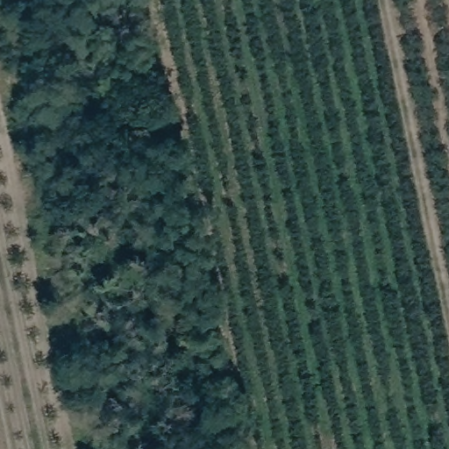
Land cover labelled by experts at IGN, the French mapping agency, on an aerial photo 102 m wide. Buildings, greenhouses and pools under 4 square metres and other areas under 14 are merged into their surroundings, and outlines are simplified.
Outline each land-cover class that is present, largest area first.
<instances>
[{"label":"deciduous trees","instance_id":"1","mask_svg":"<svg viewBox=\"0 0 449 449\"><path fill-rule=\"evenodd\" d=\"M149 0H0V16L7 14L11 21L21 19L18 23V40L7 46H0V63L2 70L18 77L19 74H26L32 70L39 72L44 70V65L54 63L49 49L58 44H67L77 54L75 63L61 65L56 70V75L63 77L60 84H47L44 79H37L33 84H26L28 95L23 96L14 109L4 107L9 135L18 130H28L32 126H47L53 130V139L49 142H37L33 149H26L25 146L14 147V154L19 158L21 170L32 177L33 193L39 195L40 200L44 202L26 214L28 226L35 230V235L30 239L35 251H44L49 256L60 258L61 254L68 256V260L74 261L72 270L77 274L75 279L82 281L91 275V267L96 263H103L107 254L112 253L116 247L128 244L142 251L146 246H156L168 251L174 247L175 240L188 233L189 224H195V237L186 242L189 249H196L195 254H186L182 251L175 253V260L182 261L188 270L186 282H181V268L174 265H168L154 277H146V268L142 267L139 261H130L119 265L114 275L103 282V286L82 291V302L86 305H98V302H103L102 312L107 316L110 310L121 309H130V312L151 309L156 314L154 319L158 326L154 330L139 328L140 335L144 337L140 340L144 349L137 351V358L133 363L125 365L126 354L119 351V340L114 339V347H109L107 344L95 346L91 340L81 339L72 346V354H63L47 367L51 372L54 391L60 396L63 409L75 414H93L100 417L105 396L112 386L121 381H133L132 389L140 391V400L130 398V409L116 407L112 410L114 419H110L116 442L125 449H128V440L139 437L140 431L153 433L156 440H160L163 445L161 449H449V342L438 300L437 282L431 270L430 251L424 239L416 186L410 174L409 151L403 137L402 118L396 100L393 74L389 67L388 49L384 44L377 0H161V18L167 28L170 53L177 65V82L181 86L188 116L189 137L184 139L186 149H182L175 146L174 140H167L158 147H149L144 142L126 144L118 135V128L121 125L144 126L142 130H135V135H151L165 126L181 123V112L175 105L172 91H161V86L168 82L167 74H158L153 68L154 60H158L161 54L158 32L151 25ZM121 5L130 9L132 18H137V28L140 30L139 39L128 40L123 53L116 51L114 32L105 26L95 25L98 16H107L112 21H119L121 18L118 11ZM181 33L188 35L191 58L196 67V81L202 91V107L209 119L212 149L216 154L219 172L228 170V158L223 151L221 130L217 125L216 112L212 105L207 70L216 68L221 100L228 116L235 154V170L239 174L240 200L246 205L249 242L253 247L256 263V272H249L240 226L237 223V207H226V214L232 226L235 267L239 274L237 286H230V274L224 260L219 228H214L212 235L200 233L205 210L212 207V202L207 198L205 202L196 200L195 193L189 191L186 175L181 174L191 161V165L198 170L200 179L196 186L202 188V191H214V179L210 175L209 158L205 151L200 121L191 107L193 86L184 60ZM91 98H100L103 110L98 118L88 121L82 116V110ZM58 149H65L68 153L74 154L79 160V165L75 168H65L63 177L56 182L53 174L58 163ZM89 174L95 175L98 179V193L88 191V186H74L77 177H88ZM93 216L96 217V221L105 217L107 221L114 223V230L109 232L107 228H102L98 235H91L88 228L91 226L89 219ZM223 307L228 310L230 330L237 349V361L233 365L244 379L246 393H240L232 379H224L214 384L209 382L203 384V388L196 391L193 389V379H196L198 372L209 375L216 368H224L228 361H232L230 354L224 351V337L219 330V317L224 314ZM168 331L175 333L177 340H189L191 346L186 347L182 353H175L172 356L167 351ZM193 403L202 410V421L196 426L195 431L186 435L182 442L167 437L165 431L170 430L167 424L170 417L165 414L167 409L182 407L191 410ZM414 4V0H393V5L398 11V23L402 26L403 32L400 35L403 68L409 82L410 98L414 102V114L419 130L417 135L423 147L426 177L430 181L433 193L445 268L449 275V170L445 160L444 144L438 137L437 110L433 107L437 91L431 88L428 79V68L423 58V37L417 30V21L410 5ZM426 19L431 32L435 33V61L438 81L444 88L447 107L445 130L449 135V0H426ZM14 289L35 288L33 279L16 272L12 279Z\"/></svg>","mask_w":449,"mask_h":449},{"label":"herbaceous vegetation","instance_id":"2","mask_svg":"<svg viewBox=\"0 0 449 449\"><path fill-rule=\"evenodd\" d=\"M151 25L158 32L161 54L158 60H154L153 68L158 74H167L168 82L161 86V91H172L175 105L181 112V123L165 126L151 135H135V130H142L144 126L121 125L118 128V135L126 144L144 142L149 147H158L167 140H174L175 146L182 149H186L184 139L189 137L188 116L181 86L177 82V65L170 53L167 28L161 18V0H149ZM410 5L417 21V30L423 37V58L428 68V79L431 88L437 91L433 107L437 110L438 137L444 144L445 160L449 170V135L445 130L447 107L444 88L438 81L435 61V33L431 32L426 19V0H414V4ZM121 18L119 21H112L107 16H98L95 25L105 26L114 32L116 51L123 53L128 40L139 39L140 30L137 28V18H132L130 9L121 5L118 11ZM21 19L11 21L7 14L0 16V46H7L18 40V23ZM184 60L193 86L191 107L200 121L205 151L209 158L210 175L214 179V191H202V188L196 186L200 179L198 170L191 165V161L181 174L186 175L189 191L195 193L196 200L205 202L207 198L212 202V207L205 210L200 233L212 235L214 228H219L224 260L230 274V286H237L239 274L235 267L232 226L226 214V207H237V223L240 226L249 272H256V263L253 247L249 242L246 205L240 200L239 174L235 170V154L228 116L221 100L216 68L207 70L212 105L216 112L217 125L221 130L223 151L228 158V170L219 172L216 154L212 149L209 119L202 107V91L196 81V67L191 58L188 35L181 33ZM54 63L44 65V70L39 72L32 70L26 74H19L18 77L2 70L0 63V449H125L116 442L110 419H114L112 410L116 407L130 409V398L140 400V391L132 389L133 381H121L112 386L105 396L100 417L93 414H75L63 409L60 396L54 391L51 372L47 367L63 354H72V346L81 339L91 340L95 346L107 344L109 347H114V339L119 340V351L126 354L125 365L133 363L137 358V351L144 349L140 340L144 337L140 335L139 328L154 330L158 326L154 319L156 314L151 309L130 312V309H121L110 310L107 316L102 312L103 302H98V305H86L82 302V291L103 286V282L114 275L119 265L130 261H139L142 267L146 268V277H154L168 265H174L181 268V282H186L188 270L182 261L175 260V253L182 251L186 254H195L196 249H189L186 242L195 237V224H189L188 233L175 240L174 247L168 251L156 246H146L142 251L128 244L116 247L112 253L107 254L103 263H96L91 267V275L82 281L75 279L77 274L72 270L74 261L68 260V256L61 254L60 258L49 256L44 251H35L30 239L35 235V230L28 226L26 214L44 202L40 200L39 195L33 193L32 177L21 170L19 158L14 154V147L25 146L26 149H33L37 142H49L53 139V130L47 126H32L28 130H18L9 135L4 107L14 109L23 96L28 95L26 84H33L37 79H44L47 84H60L63 77L56 75V70L61 65L75 63L77 54L67 44H58L49 49ZM16 272L33 279L35 288L14 289L12 279ZM103 110L100 98H91L82 110V116L88 121L98 118ZM58 163L53 174L56 182L63 177L65 168H75L79 165V160L74 154L68 153L65 149H58ZM74 186H88V191L98 193V179L95 175L89 174L88 177H77ZM91 226L88 228L91 235H98L102 228H107L109 232L114 230V223L107 221L105 217L96 221V217L93 216L89 219ZM224 314L219 317V330L224 337V351L230 354L232 361H228L224 368H216L209 375L198 372L196 379H193V389L196 391L203 388V384L209 382L214 384L224 379H232L240 393H246L244 379L233 365L237 361V349L230 330L228 310L223 307ZM191 346L189 340H177L175 333L168 331L167 351L172 356L175 353H182L186 347ZM165 414L170 417L167 424L170 430L165 431L167 437L182 442L186 435L195 431L196 426L202 421V410L193 403L191 410L182 407L167 409ZM163 445L160 440H156L153 433L140 431L139 437L128 440V449H161Z\"/></svg>","mask_w":449,"mask_h":449},{"label":"pervious surface","instance_id":"3","mask_svg":"<svg viewBox=\"0 0 449 449\"><path fill-rule=\"evenodd\" d=\"M384 44L388 49L389 67L393 74L396 100L402 118L403 137L409 151L410 174L416 186L424 239L430 251L431 270L437 282L438 300L449 342V275L445 268L433 193L430 181L426 177L423 147L417 135L419 130L414 114V102L410 98L409 82L403 68L400 35L403 32L402 26L398 23V11L393 5V0H377Z\"/></svg>","mask_w":449,"mask_h":449}]
</instances>
